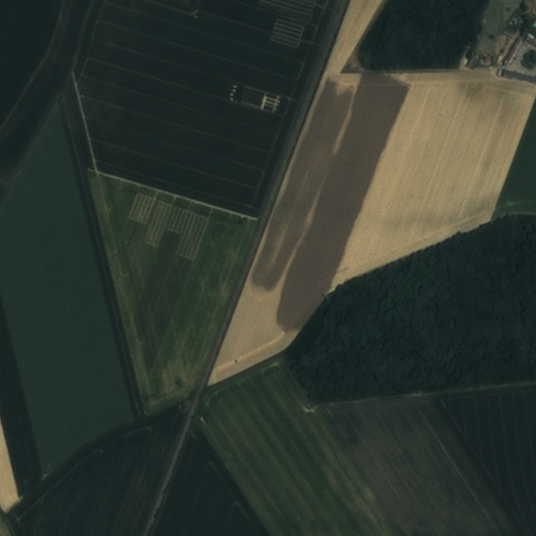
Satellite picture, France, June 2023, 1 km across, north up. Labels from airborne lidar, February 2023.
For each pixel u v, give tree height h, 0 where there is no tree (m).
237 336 0
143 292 0
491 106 0
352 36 0
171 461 0
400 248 0
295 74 0
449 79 0
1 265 0
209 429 0
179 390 0
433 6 26
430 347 24
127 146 0
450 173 0
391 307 19
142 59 0
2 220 0
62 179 0
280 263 0
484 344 24
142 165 0
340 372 20
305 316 0
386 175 0
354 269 0
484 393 0
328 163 0
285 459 0
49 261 0
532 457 0
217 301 0
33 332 0
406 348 24
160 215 0
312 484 0
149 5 0
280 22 0
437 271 24
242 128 0
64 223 0
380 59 14
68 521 0
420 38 18
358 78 0
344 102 0
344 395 20
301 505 0
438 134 0
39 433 0
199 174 0
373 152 0
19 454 0
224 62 0
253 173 0
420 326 21
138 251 0
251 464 0
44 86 0
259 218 0
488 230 20
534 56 11
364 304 17
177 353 0
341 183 0
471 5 22
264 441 0
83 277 0
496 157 0
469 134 0
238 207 0
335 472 0
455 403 0
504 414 0
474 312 28
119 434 0
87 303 0
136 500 0
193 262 0
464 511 0
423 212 0
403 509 0
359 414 0
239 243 0
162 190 0
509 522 0
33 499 0
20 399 0
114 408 0
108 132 0
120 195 0
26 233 0
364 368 22
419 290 22
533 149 0
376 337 22
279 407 0
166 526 0
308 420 0
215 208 0
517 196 0
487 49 0
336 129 0
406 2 15
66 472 0
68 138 0
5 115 0
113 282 0
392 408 0
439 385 19
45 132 0
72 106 0
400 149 0
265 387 0
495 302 21
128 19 0
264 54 0
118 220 0
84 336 0
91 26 0
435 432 0
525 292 21
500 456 0
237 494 0
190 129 0
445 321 22
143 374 0
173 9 0
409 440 0
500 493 0
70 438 0
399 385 21
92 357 0
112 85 0
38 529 0
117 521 0
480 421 0
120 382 0
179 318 0
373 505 0
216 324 0
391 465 0
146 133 0
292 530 0
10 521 0
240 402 0
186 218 0
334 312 15
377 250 0
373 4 0
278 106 0
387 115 0
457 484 0
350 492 0
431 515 0
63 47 0
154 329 0
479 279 22
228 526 0
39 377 0
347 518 0
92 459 0
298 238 0
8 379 0
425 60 19
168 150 0
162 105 0
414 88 0
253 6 0
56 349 0
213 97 0
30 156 0
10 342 0
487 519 0
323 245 0
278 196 0
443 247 22
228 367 0
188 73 0
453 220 0
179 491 0
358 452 0
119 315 0
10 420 0
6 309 0
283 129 0
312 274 0
